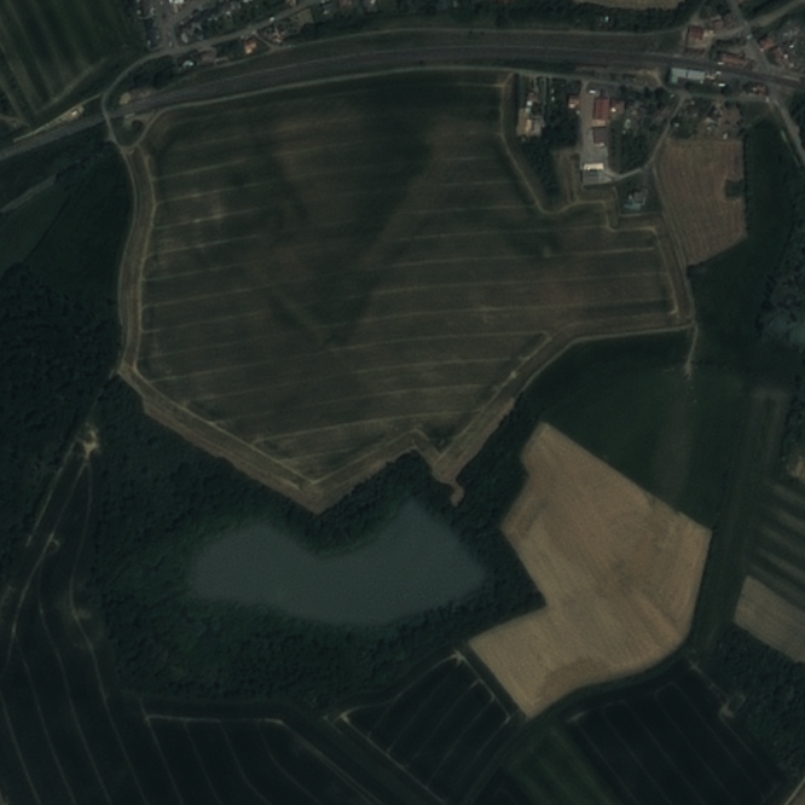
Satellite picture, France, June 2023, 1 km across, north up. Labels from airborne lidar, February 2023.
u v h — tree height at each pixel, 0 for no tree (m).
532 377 0
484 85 0
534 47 0
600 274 0
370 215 0
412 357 0
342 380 0
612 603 0
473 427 0
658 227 0
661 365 0
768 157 0
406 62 0
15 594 0
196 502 13
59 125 0
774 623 0
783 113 0
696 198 0
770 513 0
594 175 0
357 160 0
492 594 7
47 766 0
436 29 0
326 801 0
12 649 0
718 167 0
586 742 0
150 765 0
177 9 0
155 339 0
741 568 0
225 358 0
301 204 0
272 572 0
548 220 0
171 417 0
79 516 0
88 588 10
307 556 0
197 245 0
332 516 8
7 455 13
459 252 0
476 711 0
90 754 0
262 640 17
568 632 0
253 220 0
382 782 0
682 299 0
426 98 0
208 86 0
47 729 0
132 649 20
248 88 0
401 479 20
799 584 0
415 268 0
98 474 0
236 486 7
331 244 0
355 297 0
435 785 0
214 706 0
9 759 0
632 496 0
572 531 0
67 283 0
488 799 0
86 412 14
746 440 0
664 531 0
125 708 0
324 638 7
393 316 0
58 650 0
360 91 0
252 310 0
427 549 0
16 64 0
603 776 0
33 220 0
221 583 0
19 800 0
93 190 0
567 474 0
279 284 0
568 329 0
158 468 7
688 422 0
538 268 0
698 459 0
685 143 0
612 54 0
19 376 25
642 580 0
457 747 0
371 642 9
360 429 0
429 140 0
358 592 0
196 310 0
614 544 0
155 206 0
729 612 0
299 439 0
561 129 10
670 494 0
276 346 0
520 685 0
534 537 0
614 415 0
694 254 0
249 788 0
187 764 0
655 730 0
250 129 0
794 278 13
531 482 0
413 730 0
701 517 0
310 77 0
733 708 0
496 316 0
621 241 0
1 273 0
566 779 0
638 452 0
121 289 0
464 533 19
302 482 0
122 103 0
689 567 0
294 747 0
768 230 0
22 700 0
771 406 0
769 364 0
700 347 0
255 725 0
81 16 0
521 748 0
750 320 0
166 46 0
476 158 0
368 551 0
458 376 0
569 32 0
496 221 0
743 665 7
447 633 16
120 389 12
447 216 0
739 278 0
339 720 0
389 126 0
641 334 0
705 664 0
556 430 0
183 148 0
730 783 0
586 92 0
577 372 0
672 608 0
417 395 0
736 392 0
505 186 0
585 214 0
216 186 0
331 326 0
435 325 0
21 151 0
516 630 0
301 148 0
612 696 0
